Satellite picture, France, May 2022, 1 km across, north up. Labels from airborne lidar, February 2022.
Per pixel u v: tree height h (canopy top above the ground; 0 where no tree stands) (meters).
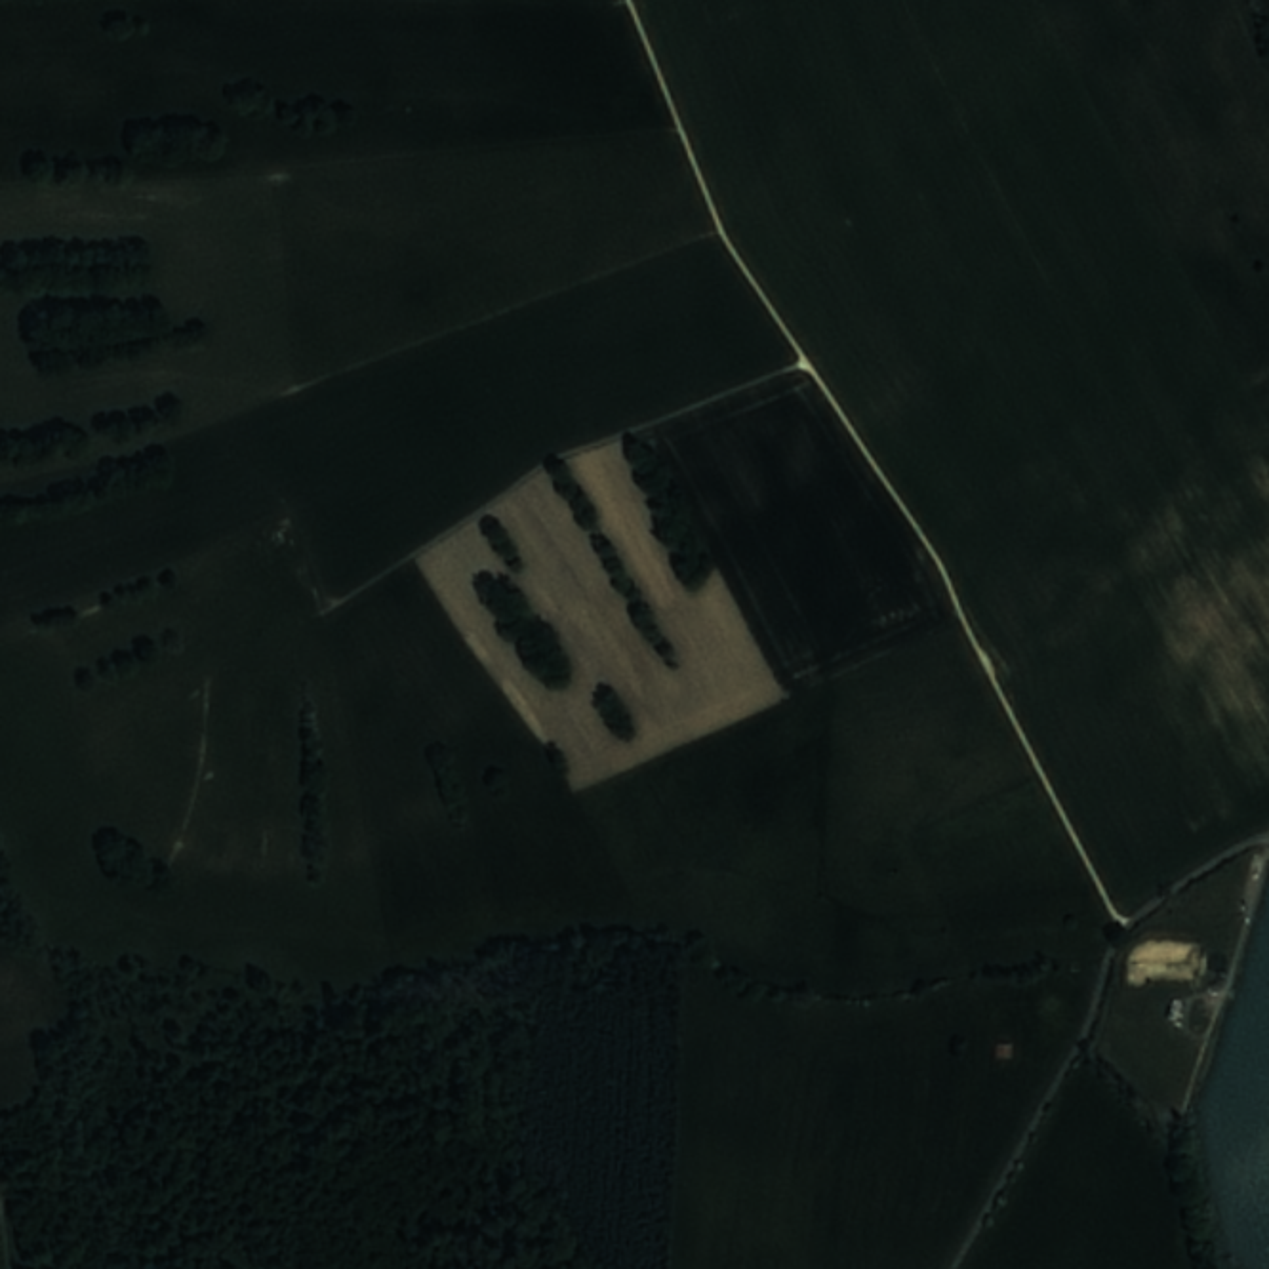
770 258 0
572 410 0
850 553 0
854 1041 0
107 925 0
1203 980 0
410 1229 10
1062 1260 0
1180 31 0
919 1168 0
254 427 0
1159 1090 0
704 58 0
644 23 0
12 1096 0
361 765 0
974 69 0
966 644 0
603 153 0
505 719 0
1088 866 0
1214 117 0
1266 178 0
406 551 0
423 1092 20
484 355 0
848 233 0
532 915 0
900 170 0
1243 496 0
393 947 0
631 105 0
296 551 0
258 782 0
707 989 0
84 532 0
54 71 0
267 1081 19
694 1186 0
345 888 0
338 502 0
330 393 0
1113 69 0
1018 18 0
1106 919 0
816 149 0
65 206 0
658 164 0
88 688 14
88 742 0
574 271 0
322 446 0
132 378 0
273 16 0
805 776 0
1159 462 0
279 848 0
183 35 0
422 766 0
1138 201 0
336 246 0
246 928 0
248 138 0
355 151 0
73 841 0
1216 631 0
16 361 0
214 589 0
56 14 0
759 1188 0
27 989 0
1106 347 0
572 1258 27
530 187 0
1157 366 0
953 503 0
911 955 0
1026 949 0
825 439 0
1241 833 0
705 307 0
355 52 0
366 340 0
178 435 0
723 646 0
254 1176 23
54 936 0
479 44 0
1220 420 0
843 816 0
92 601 0
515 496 0
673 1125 16
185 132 21
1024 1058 0
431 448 0
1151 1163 0
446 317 0
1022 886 0
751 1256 0
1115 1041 0
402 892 0
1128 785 0
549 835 0
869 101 0
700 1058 0
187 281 0
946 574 0
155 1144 29
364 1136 22
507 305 0
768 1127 0
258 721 0
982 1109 0
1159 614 0
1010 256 0
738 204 0
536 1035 22
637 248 0
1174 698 0
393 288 0
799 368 0
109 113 0
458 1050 30
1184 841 0
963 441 0
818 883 0
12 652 0
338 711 0
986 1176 0
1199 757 0
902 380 0
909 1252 0
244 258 0
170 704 0
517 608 20
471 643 0
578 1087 18
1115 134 0
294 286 0
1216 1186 0
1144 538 0
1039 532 0
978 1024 0
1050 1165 0
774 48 0
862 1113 0
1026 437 0
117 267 19
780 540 0
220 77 0
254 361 0
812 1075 0
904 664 0
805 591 0
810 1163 0
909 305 0
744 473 0
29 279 22
